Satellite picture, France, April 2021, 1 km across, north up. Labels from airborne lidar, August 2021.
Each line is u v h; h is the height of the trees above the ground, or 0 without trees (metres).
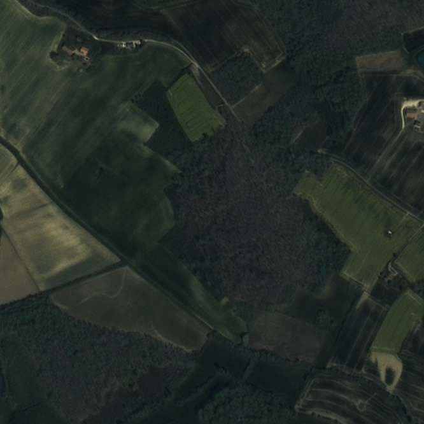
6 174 0
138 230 0
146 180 0
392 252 0
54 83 0
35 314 16
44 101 0
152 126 0
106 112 0
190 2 0
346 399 0
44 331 15
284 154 11
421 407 0
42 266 0
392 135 0
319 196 0
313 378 0
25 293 0
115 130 0
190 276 0
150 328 0
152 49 0
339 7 19
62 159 0
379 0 17
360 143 0
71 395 16
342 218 0
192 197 21
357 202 0
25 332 17
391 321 0
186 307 0
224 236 20
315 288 12
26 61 0
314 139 0
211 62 0
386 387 0
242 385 17
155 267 0
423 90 0
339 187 0
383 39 17
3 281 0
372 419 0
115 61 0
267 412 23
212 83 10
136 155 0
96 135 0
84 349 14
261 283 17
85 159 0
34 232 0
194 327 0
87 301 0
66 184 0
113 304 0
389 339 0
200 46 0
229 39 0
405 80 0
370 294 0
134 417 14
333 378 0
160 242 6
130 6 0
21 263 0
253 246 18
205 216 22
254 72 14
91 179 0
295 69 21
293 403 0
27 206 0
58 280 0
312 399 0
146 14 0
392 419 0
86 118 0
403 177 0
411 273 0
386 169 0
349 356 0
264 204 17
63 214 0
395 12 18
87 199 0
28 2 15
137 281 0
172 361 21
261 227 18
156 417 0
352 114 20
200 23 0
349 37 18
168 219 0
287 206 17
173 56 0
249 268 11
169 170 0
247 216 15
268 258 16
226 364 0
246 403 26
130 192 0
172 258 0
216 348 0
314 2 18
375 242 0
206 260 21
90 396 17
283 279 16
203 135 0
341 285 0
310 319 0
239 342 0
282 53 0
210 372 0
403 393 0
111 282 0
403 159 0
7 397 23
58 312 17
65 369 18
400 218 0
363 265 0
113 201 0
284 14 20
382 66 0
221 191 17
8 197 0
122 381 20
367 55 15
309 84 18
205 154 22
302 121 15
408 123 0
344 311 0
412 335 0
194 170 20
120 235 0
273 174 20
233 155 18
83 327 14
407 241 0
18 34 0
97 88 0
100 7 0
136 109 0
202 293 0
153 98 6
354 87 26
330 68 24
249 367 11
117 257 0
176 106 0
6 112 0
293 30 9
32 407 6
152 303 0
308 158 14
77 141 0
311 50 26
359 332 0
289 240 21
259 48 0
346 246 13
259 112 0
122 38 17
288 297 15
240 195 20
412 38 0
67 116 0
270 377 0
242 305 7
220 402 24
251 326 9
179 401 8
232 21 0
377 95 0
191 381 0
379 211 0
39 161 0
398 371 0
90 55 10
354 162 0
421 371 0
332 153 0
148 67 0
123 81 0
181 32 0
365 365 0
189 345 0
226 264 19
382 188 0
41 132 0
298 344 0
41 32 0
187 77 0
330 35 15
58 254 0
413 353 0
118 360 20
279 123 21
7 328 16
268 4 25
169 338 0
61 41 0
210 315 0
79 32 0
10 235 0
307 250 19
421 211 0
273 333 0
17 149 0
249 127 0
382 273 7
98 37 9
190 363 24
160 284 0
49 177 0
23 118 0
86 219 0
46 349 21
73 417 14
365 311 0
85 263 0
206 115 0
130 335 14
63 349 19
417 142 0
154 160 0
